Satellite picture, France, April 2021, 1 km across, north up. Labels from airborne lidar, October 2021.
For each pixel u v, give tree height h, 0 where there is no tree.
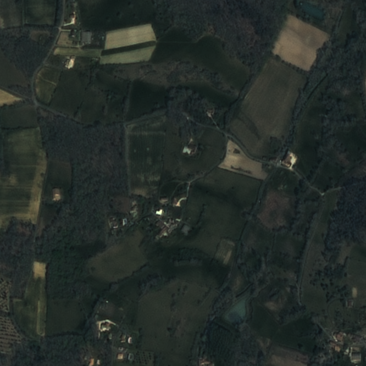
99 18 0
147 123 0
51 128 12
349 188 22
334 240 15
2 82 0
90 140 23
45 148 17
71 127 23
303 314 22
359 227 23
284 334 0
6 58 15
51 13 0
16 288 14
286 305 0
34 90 9
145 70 13
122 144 17
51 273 23
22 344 11
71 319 0
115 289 15
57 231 24
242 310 0
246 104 0
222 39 22
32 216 0
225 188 0
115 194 6
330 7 23
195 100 14
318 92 0
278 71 0
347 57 22
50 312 0
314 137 25
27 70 17
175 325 0
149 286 25
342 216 15
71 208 22
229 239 5
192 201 0
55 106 0
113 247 19
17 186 0
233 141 10
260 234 0
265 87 0
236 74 0
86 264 15
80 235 20
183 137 21
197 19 21
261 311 0
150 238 10
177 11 21
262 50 19
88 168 17
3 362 19
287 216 0
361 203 23
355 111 0
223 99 0
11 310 0
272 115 0
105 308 14
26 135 0
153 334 0
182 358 0
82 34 8
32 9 0
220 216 0
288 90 0
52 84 0
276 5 26
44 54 16
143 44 0
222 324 0
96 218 26
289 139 14
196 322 0
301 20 15
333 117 16
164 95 0
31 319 0
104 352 19
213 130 0
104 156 18
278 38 18
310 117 0
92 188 21
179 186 0
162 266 0
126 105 18
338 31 15
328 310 0
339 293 14
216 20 24
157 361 16
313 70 16
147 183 0
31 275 17
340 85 24
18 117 0
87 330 14
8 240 15
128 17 0
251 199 0
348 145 0
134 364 9
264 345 0
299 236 17
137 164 0
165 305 0
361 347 0
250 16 24
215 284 0
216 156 0
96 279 0
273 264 11
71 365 24
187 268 0
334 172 0
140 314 0
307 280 0
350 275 0
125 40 0
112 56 0
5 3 0
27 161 0
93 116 0
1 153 10
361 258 0
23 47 16
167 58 0
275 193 0
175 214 0
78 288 16
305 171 0
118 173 24
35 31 15
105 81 0
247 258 10
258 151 0
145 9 0
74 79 0
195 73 19
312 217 16
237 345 23
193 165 0
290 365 0
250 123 0
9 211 0
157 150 0
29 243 17
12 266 16
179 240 0
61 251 23
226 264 0
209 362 0
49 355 18
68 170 0
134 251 0
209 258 8
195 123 20
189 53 0
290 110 0
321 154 17
